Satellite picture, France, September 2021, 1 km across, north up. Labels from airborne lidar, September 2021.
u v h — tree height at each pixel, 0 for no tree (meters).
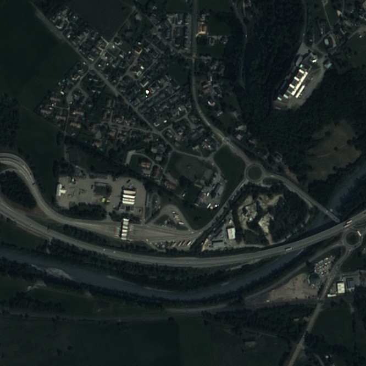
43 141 0
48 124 0
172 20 0
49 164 0
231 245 0
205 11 10
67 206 0
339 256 8
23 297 10
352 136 0
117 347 0
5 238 0
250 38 0
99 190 0
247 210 0
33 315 0
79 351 0
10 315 9
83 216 8
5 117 13
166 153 8
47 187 0
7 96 10
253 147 7
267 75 9
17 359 0
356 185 0
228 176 0
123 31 0
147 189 14
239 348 0
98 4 0
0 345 12
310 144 24
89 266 7
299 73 0
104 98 0
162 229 0
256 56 21
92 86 7
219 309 0
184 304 10
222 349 0
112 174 8
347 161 0
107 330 0
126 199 0
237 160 0
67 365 0
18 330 0
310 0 0
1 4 0
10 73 0
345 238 0
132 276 10
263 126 15
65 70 0
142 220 0
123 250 14
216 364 0
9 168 0
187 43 0
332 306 13
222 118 0
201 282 14
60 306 9
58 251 18
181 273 16
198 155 0
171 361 0
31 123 0
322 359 14
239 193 12
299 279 0
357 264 0
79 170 0
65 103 6
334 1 14
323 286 7
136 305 18
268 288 0
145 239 0
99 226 0
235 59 28
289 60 9
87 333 0
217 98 6
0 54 0
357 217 0
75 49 0
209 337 0
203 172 0
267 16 24
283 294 0
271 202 0
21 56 0
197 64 8
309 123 19
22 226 0
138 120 9
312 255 12
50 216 0
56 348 0
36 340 0
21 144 0
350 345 0
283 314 9
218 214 0
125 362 0
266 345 0
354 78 16
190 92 6
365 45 0
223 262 0
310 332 0
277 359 0
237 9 0
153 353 0
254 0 17
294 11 12
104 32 0
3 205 0
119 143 7
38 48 0
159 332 0
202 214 0
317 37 0
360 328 0
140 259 0
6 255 0
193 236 0
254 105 21
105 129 10
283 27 24
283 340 12
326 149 0
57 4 23
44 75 0
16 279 25
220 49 0
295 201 18
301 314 19
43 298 0
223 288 0
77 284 7
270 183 0
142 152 0
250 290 14
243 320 17
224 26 0
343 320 0
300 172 23
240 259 0
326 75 12
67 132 0
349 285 0
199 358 0
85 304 0
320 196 15
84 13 0
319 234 0
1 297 0
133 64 0
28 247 0
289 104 0
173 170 0
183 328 0
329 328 0
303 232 16
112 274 9
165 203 0
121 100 15
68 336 0
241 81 0
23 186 17
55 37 0
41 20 0
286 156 9
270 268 0
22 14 0
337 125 22
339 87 19
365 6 0
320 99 23
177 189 0
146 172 0
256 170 0
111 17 0
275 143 28
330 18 0
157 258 0
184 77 0
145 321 0
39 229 0
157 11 8
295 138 16
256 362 0
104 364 0
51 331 0
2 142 10
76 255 15
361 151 23
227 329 0
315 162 0
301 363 0
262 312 16
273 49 20
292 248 0
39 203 0
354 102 15
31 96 0
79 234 15
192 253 7
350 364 19
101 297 24
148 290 0
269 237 0
